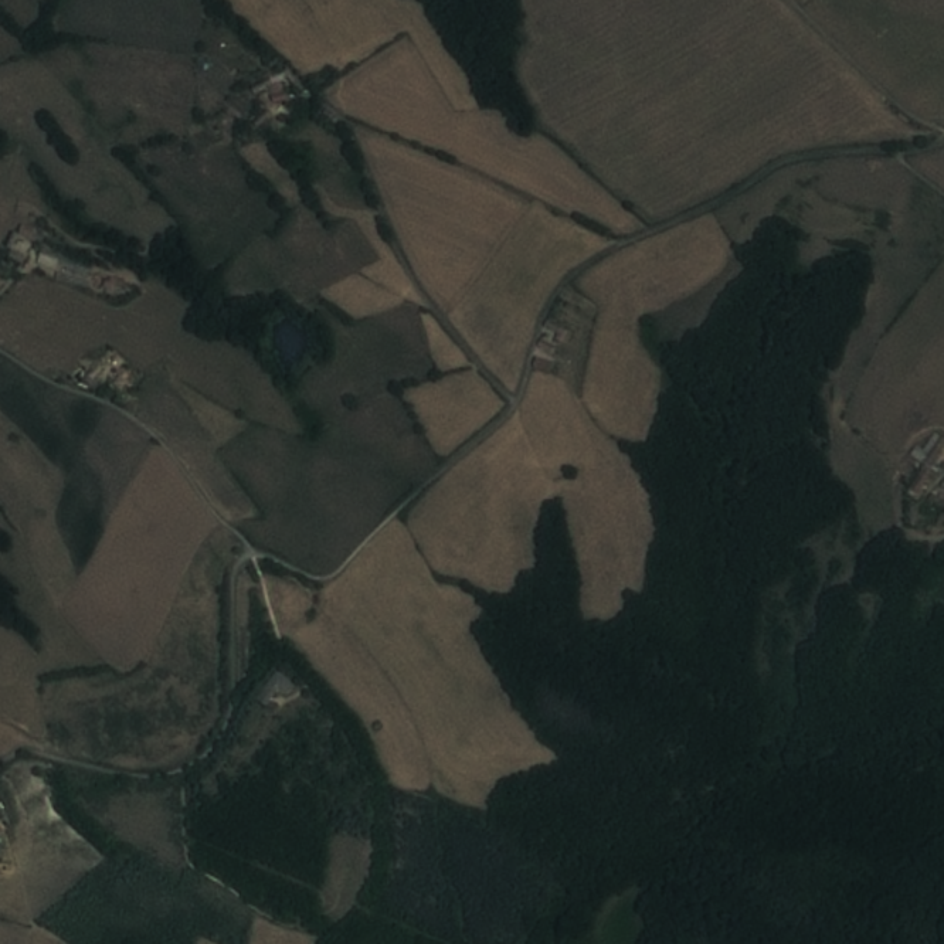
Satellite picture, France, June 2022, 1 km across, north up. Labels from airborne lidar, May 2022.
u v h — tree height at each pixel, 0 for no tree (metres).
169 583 0
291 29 0
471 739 0
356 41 0
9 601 19
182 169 0
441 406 0
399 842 7
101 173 0
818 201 0
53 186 8
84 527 0
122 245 8
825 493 19
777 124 0
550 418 0
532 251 0
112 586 0
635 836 16
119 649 0
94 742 0
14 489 0
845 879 9
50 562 0
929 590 7
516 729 0
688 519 14
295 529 0
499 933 7
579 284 0
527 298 0
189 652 0
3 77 0
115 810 0
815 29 0
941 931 21
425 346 0
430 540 0
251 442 0
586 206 0
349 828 11
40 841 0
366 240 0
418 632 0
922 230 0
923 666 18
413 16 0
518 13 20
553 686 14
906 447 0
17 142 0
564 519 13
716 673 27
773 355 19
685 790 15
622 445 11
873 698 13
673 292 0
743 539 24
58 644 0
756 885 14
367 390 0
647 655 25
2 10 15
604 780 10
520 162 0
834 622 17
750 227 0
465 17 22
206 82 0
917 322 0
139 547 0
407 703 0
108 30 0
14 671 0
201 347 0
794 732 9
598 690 17
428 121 0
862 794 14
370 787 6
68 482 0
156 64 0
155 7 0
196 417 0
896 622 12
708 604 18
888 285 0
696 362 17
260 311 17
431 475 0
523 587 17
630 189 0
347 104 0
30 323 0
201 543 0
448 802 8
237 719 11
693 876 18
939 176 0
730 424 30
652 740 10
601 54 0
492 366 0
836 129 0
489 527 0
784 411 14
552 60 0
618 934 0
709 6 0
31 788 0
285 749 7
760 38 0
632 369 0
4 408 0
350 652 0
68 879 0
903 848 12
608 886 20
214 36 0
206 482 0
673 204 0
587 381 0
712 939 18
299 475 0
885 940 17
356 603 0
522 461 0
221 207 0
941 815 14
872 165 0
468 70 11
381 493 0
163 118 0
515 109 19
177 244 13
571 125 0
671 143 0
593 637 16
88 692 0
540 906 14
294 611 0
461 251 0
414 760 0
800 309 18
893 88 0
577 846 18
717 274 0
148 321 0
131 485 0
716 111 0
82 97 0
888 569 13
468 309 0
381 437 0
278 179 0
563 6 0
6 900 0
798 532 19
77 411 0
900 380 0
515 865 15
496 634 19
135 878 7
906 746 14
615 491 0
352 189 0
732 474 21
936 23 0
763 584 15
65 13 0
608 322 0
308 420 0
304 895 11
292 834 13
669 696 12
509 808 14
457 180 0
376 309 0
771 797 12
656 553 13
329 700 13
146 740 0
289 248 0
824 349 18
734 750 27
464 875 15
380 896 7
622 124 0
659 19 0
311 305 0
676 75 0
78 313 0
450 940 13
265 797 13
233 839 10
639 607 13
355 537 0
